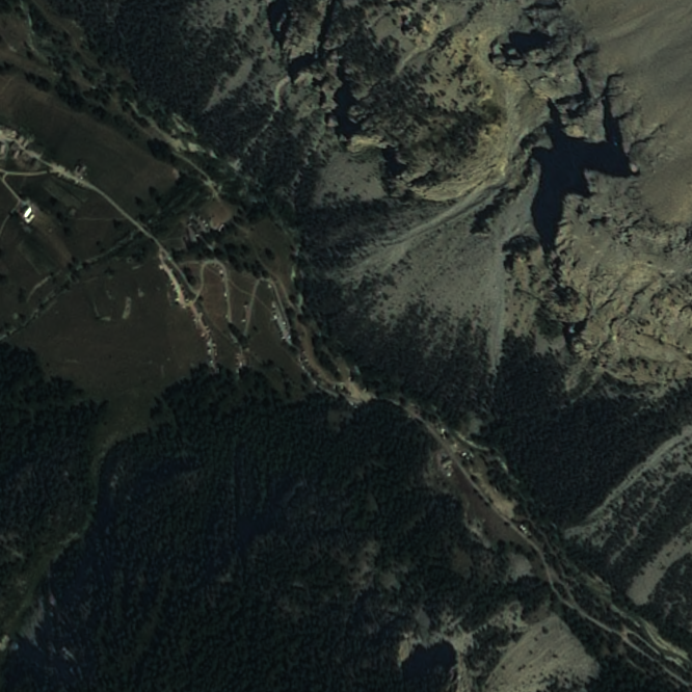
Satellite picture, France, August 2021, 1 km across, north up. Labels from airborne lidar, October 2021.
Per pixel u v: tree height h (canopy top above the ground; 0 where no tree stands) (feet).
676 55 0
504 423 41
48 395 37
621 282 0
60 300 0
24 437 55
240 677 47
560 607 0
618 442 39
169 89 41
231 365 0
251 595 31
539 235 0
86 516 30
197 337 0
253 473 23
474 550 28
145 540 52
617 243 0
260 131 44
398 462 46
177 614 44
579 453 52
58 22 0
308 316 41
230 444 27
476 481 47
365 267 0
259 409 69
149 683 52
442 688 36
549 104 0
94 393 0
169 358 0
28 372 70
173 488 26
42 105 0
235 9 0
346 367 0
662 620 37
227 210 0
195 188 19
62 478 38
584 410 43
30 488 22
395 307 0
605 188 0
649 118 0
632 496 23
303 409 49
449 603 30
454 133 23
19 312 0
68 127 0
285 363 0
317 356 31
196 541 26
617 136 0
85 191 0
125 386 0
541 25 0
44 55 0
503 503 0
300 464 36
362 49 20
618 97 0
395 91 26
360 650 27
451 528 21
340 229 26
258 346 0
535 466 48
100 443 0
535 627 0
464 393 36
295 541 31
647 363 29
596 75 0
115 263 0
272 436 33
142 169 0
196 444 64
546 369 36
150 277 0
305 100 0
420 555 43
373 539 20
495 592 35
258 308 0
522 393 56
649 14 0
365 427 42
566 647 0
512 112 0
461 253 0
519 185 0
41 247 0
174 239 0
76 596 30
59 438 56
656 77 0
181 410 70
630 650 23
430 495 32
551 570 0
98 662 44
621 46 0
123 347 0
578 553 29
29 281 0
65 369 0
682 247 0
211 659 59
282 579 49
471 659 33
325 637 41
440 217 0
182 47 21
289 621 31
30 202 0
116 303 0
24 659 30
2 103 0
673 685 33
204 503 22
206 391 57
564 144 0
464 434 0
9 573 57
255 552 32
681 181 0
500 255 0
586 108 0
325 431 31
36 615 0
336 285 22
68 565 28
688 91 0
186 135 24
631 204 0
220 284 0
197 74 25
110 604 23
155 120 19
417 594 24
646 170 0
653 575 0
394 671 46
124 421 0
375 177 0
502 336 0
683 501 22
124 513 39
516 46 0
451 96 0
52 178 0
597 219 0
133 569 50
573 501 32
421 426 56
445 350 32
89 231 0
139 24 49
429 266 0
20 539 28
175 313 0
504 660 0
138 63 54
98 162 0
